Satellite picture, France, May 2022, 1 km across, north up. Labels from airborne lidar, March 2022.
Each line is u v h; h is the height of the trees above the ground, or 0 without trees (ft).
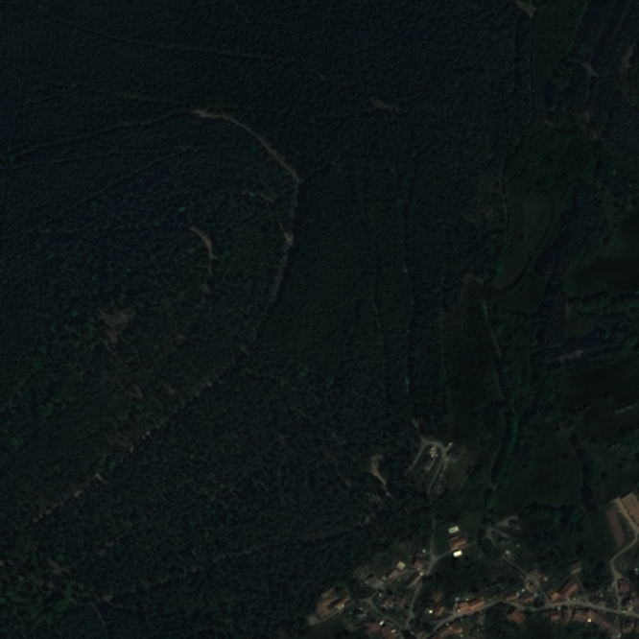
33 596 85
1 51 38
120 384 59
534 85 30
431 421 72
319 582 80
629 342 55
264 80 71
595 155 62
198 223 34
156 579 36
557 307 90
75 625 42
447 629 0
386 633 0
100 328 68
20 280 55
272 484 76
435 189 58
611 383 0
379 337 36
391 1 103
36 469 88
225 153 30
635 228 0
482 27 98
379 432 40
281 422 91
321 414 79
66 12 65
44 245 49
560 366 54
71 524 51
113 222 50
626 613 0
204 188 41
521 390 61
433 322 56
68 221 48
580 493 0
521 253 0
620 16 89
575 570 0
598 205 64
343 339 59
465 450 0
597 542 0
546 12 29
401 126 79
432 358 73
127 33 59
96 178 50
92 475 73
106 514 94
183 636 62
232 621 106
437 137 93
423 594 0
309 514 64
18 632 40
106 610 85
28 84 50
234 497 95
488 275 56
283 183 19
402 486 47
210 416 73
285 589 114
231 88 68
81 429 88
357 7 89
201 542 101
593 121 38
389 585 0
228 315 100
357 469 31
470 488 0
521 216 0
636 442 70
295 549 85
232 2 68
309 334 20
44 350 29
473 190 87
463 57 87
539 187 41
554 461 0
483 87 97
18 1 75
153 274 45
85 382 52
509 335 38
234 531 94
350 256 63
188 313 97
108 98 49
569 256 81
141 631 81
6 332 27
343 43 73
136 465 77
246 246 31
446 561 0
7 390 46
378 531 69
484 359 26
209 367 81
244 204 37
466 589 0
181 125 49
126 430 93
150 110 69
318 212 73
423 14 94
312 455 106
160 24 55
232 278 32
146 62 64
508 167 51
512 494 0
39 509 59
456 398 0
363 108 71
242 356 90
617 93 49
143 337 74
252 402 81
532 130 38
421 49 82
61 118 46
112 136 51
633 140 73
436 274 75
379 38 76
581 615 0
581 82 90
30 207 46
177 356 83
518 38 78
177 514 79
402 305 57
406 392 44
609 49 94
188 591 38
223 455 80
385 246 66
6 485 71
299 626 53
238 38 68
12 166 53
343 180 72
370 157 69
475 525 0
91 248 62
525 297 0
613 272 0
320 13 73
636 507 0
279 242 40
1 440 77
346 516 77
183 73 53
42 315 28
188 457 70
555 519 55
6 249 45
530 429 66
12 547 111
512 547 0
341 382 56
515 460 50
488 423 36
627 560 0
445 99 92
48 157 63
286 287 52
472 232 87
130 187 49
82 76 54
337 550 31
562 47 25
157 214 73
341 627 0
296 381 89
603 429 0
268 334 51
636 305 65
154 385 79
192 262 21
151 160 55
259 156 44
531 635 0
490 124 85
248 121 69
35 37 52
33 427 70
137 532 80
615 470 0
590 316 81
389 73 78
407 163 95
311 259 60
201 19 70
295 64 65
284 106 85
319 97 94
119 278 53
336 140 78
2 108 30
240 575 94
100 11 57
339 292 56
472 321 26
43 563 128
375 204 57
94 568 78
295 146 60
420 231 61
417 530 59
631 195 77
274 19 60
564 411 0
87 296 31
